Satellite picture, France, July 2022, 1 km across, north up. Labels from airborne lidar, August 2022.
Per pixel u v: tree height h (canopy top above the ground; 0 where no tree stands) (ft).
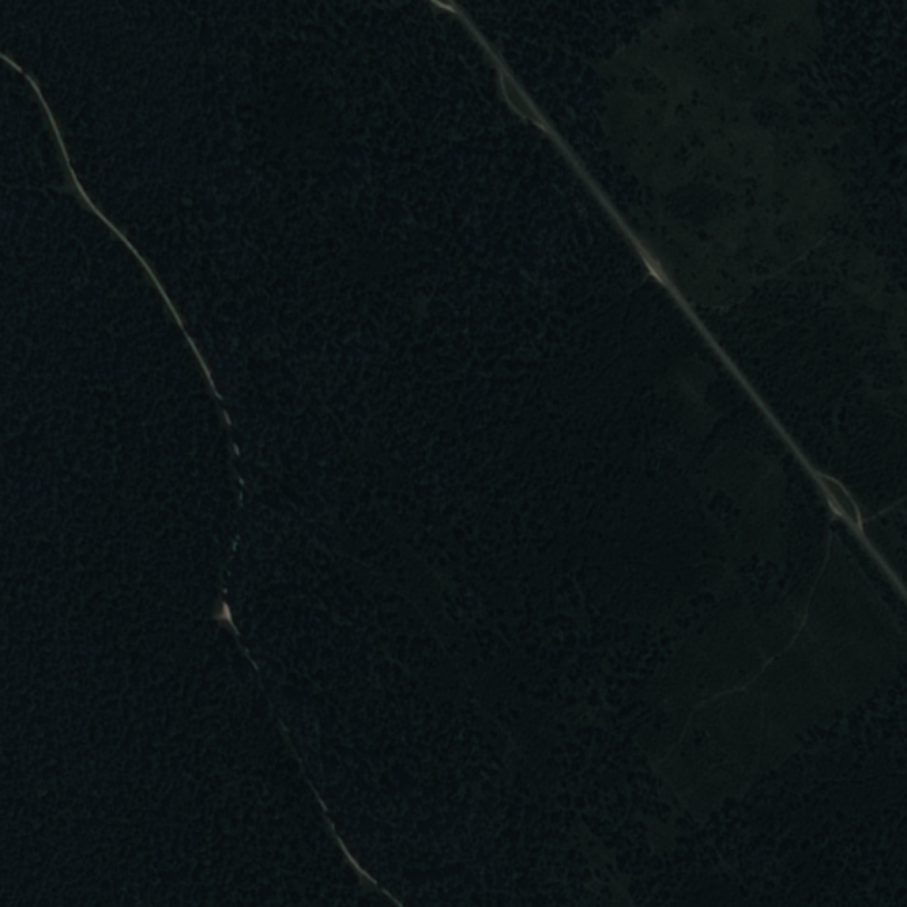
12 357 82
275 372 29
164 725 67
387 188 97
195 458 42
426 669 19
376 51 58
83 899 87
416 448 43
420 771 26
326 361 116
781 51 0
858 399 25
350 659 44
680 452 27
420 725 24
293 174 33
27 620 75
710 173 22
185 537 44
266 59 51
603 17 115
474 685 19
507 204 50
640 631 23
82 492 80
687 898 19
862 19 62
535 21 22
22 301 69
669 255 0
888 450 21
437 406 45
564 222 73
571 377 27
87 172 57
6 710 73
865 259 0
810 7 0
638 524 19
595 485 29
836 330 19
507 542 42
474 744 26
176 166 78
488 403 56
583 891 21
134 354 69
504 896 117
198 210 43
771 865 58
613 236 31
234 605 92
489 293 59
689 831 28
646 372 25
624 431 25
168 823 91
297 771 55
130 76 95
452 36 25
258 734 51
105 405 81
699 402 0
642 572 34
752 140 0
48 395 75
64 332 84
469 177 50
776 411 21
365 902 65
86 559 59
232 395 97
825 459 22
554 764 42
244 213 62
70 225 84
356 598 33
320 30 66
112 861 69
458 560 36
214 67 67
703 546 23
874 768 26
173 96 93
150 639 52
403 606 20
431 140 71
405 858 51
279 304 27
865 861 51
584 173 0
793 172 0
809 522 24
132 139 58
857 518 0
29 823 94
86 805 75
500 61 0
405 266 20
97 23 76
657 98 0
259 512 101
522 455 31
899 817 39
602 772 31
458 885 121
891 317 23
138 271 92
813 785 29
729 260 0
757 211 0
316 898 44
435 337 19
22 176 68
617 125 0
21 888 82
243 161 126
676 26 0
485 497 32
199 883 46
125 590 51
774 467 0
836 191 0
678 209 20
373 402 99
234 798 55
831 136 0
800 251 0
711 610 29
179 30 93
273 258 32
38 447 53
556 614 26
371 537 41
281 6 49
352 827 101
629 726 19
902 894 56
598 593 33
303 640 48
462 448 49
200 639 47
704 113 0
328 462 33
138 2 49
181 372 74
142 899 58
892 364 21
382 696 32
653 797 49
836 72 35
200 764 58
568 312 50
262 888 43
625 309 25
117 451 62
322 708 69
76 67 94
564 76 64
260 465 20
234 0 73
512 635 32
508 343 42
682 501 27
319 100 40
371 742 19
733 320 18
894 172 45
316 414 26
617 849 26
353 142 27
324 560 46
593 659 46
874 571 33
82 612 58
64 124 20
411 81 26
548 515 35
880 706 18
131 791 85
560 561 30
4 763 23
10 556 82
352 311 45
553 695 39
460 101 62
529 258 44
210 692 69
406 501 51
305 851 48
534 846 62
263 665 126
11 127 81
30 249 62
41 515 86
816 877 24
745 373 19
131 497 41
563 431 43
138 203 60
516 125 45
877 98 22
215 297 67
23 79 73
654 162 0
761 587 35
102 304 46
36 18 97
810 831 26
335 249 49
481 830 104
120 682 77
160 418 55
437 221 27
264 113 27
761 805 19
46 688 76
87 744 79
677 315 34
